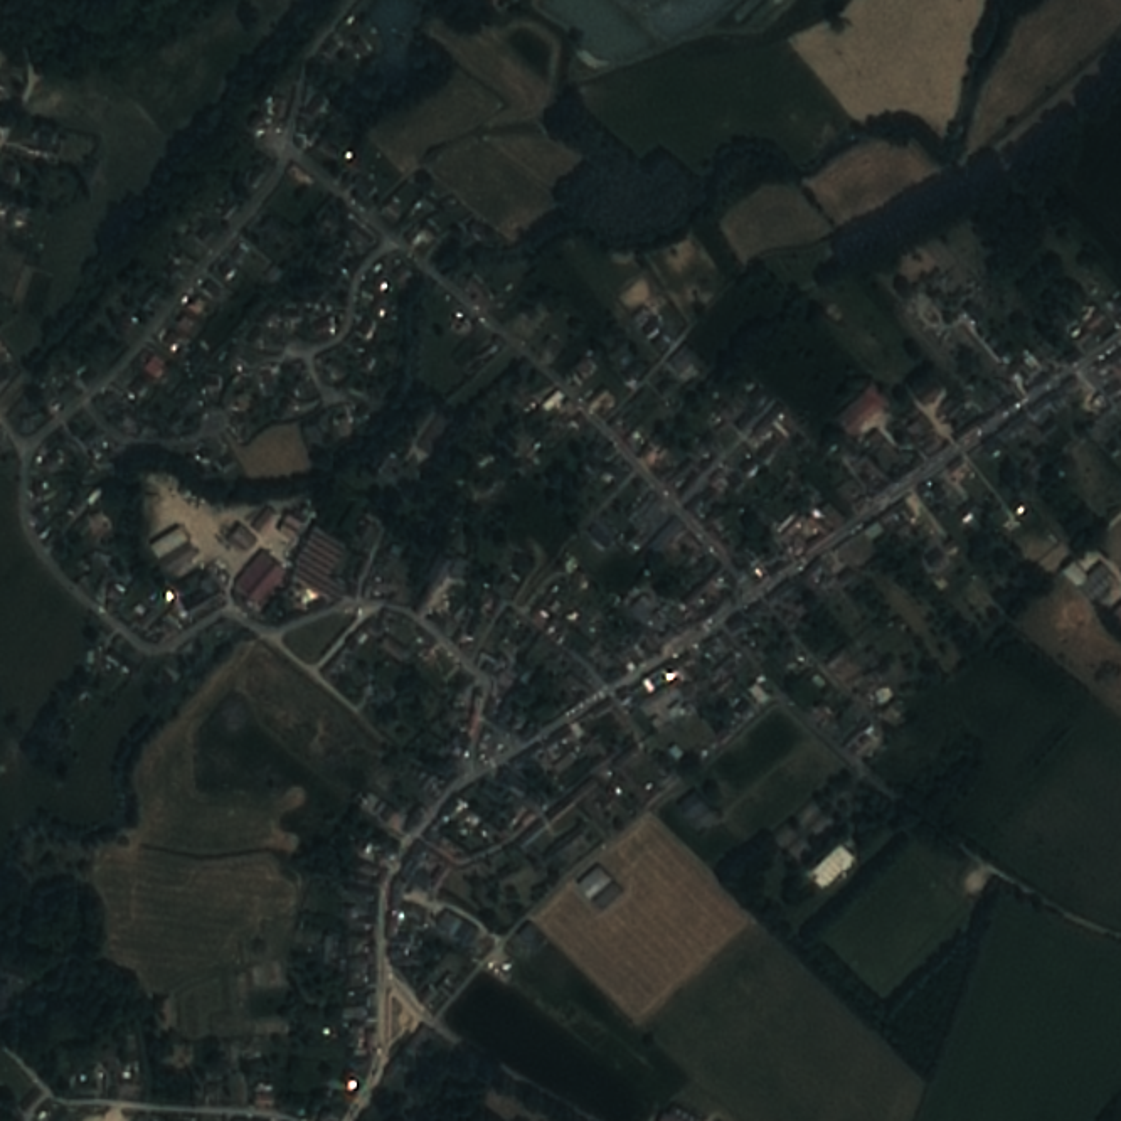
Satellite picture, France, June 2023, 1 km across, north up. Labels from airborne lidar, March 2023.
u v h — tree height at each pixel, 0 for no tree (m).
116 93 0
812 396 0
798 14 0
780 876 0
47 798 0
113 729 0
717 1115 0
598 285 0
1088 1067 0
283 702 0
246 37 0
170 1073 14
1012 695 0
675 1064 0
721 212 7
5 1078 0
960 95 0
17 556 0
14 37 17
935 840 15
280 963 0
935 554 8
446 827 7
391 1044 0
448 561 0
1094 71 0
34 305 0
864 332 0
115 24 16
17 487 0
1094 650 0
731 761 0
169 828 0
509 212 0
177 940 0
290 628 0
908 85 0
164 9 25
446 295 0
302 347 0
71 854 0
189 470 13
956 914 0
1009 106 0
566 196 17
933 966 10
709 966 0
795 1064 0
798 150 0
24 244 0
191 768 0
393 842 7
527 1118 0
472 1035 0
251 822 0
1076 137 28
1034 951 0
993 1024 0
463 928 0
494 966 0
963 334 0
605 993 0
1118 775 0
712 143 0
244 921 0
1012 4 18
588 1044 0
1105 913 0
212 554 0
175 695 12
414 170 0
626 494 0
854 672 0
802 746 0
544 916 0
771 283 12
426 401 23
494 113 0
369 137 13
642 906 0
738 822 0
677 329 0
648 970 0
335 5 13
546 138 0
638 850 0
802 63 0
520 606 0
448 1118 21
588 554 0
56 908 27
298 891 0
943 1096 0
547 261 0
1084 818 0
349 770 0
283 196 0
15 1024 16
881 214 0
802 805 0
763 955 0
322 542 0
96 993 17
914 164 0
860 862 0
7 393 0
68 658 0
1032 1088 0
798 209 0
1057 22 0
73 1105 0
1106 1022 0
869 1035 0
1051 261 12
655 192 19
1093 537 20
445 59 24
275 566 0
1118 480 0
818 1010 0
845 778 11
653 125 0
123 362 0
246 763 0
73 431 8
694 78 0
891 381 0
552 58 0
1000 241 24
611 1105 0
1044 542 0
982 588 0
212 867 0
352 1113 0
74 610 0
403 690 16
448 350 0
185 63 0
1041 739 0
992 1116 0
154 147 0
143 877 0
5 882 28
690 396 10
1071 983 0
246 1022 0
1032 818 0
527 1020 0
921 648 7
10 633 0
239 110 6
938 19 0
